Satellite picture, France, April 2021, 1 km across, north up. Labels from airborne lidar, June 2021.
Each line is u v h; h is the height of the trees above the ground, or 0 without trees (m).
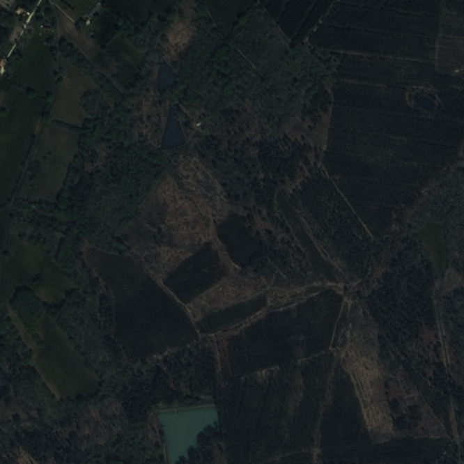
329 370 12
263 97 8
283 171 15
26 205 8
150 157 22
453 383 10
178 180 14
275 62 14
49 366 0
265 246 18
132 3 0
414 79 7
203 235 0
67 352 0
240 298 0
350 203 10
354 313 10
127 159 15
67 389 0
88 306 19
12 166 0
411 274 14
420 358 11
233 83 20
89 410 18
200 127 10
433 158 13
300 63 8
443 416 11
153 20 14
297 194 17
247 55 15
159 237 7
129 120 16
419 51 11
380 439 0
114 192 8
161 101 5
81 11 0
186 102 13
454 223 17
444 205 21
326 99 16
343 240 14
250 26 10
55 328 0
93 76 17
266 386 9
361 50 13
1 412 0
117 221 9
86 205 18
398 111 12
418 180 13
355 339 0
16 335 17
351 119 8
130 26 23
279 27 6
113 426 20
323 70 8
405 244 20
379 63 9
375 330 10
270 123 12
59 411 20
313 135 0
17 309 20
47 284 0
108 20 0
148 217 0
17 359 8
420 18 9
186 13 14
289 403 11
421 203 12
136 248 0
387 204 12
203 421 0
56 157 0
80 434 11
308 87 8
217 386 14
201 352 17
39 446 15
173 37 0
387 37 11
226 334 0
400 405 18
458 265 13
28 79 0
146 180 14
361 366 0
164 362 11
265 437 14
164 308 7
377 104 11
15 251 0
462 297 13
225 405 12
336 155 9
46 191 0
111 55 7
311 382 14
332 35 10
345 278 9
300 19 10
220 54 20
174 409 0
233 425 14
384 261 8
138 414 27
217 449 10
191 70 12
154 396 23
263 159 16
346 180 9
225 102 14
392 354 10
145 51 25
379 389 0
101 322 11
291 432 10
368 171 10
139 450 13
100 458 20
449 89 11
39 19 16
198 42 15
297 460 5
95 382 0
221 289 0
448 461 11
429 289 17
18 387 17
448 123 14
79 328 22
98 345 14
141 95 10
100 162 9
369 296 7
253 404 14
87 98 15
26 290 15
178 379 17
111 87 17
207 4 15
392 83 7
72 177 15
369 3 13
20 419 18
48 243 12
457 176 14
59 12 0
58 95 0
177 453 0
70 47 13
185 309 7
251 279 8
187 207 0
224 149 6
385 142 9
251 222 22
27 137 0
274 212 11
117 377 8
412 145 12
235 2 0
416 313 18
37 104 0
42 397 18
